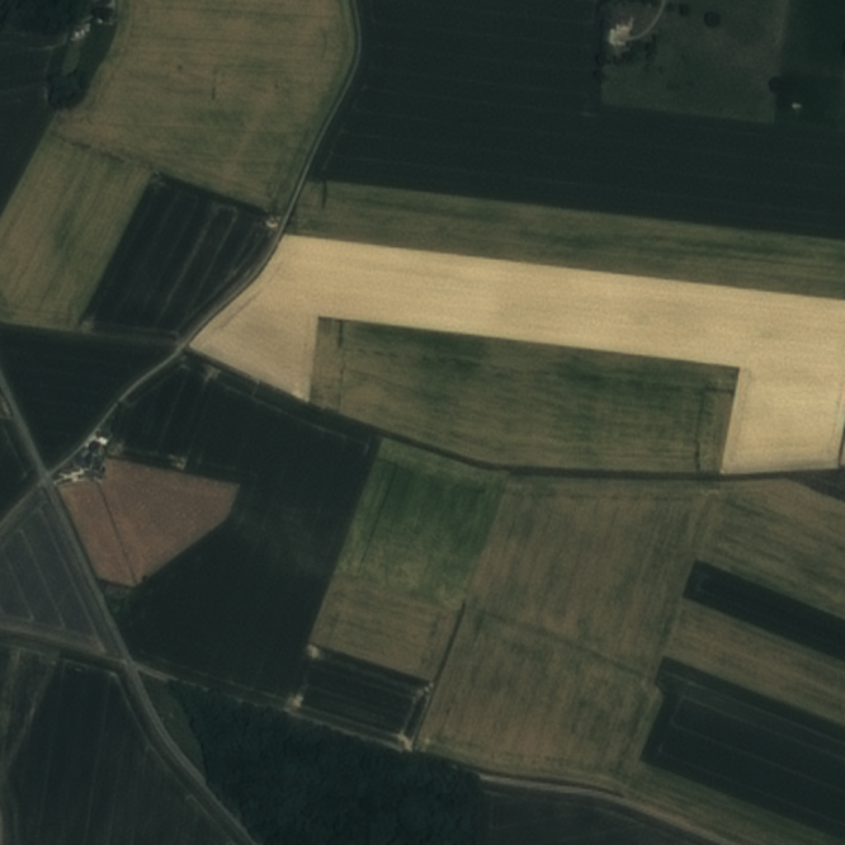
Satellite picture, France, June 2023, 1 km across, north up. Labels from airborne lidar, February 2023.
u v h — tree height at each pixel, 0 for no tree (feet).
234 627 0
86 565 0
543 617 0
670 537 0
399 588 0
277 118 0
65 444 0
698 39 0
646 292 0
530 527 0
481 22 0
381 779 57
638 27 0
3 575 0
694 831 0
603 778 0
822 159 0
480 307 0
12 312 0
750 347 0
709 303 0
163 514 0
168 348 0
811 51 0
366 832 56
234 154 0
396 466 0
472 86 0
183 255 0
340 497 0
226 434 0
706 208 0
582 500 0
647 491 0
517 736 0
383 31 0
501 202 0
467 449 0
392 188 0
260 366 0
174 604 0
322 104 0
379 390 0
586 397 0
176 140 0
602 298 0
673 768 0
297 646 0
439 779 62
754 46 0
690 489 0
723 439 0
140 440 0
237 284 0
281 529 0
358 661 0
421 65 0
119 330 0
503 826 0
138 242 0
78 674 0
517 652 0
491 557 0
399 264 0
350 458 0
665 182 0
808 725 0
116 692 0
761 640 0
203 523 0
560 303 0
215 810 0
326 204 0
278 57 0
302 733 65
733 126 0
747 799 0
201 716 45
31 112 0
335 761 68
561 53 0
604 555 0
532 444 0
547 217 0
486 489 0
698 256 0
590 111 0
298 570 0
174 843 0
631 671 0
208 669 0
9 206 0
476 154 0
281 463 0
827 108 0
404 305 0
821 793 0
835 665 0
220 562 0
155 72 0
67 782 0
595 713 0
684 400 0
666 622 0
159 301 0
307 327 0
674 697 0
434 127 0
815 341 0
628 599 0
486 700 0
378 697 0
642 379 0
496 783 0
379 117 0
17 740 0
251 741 79
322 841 83
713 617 0
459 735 0
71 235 0
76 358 0
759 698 0
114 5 0
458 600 0
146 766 0
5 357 0
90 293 0
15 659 0
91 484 0
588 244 0
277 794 75
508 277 0
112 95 0
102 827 0
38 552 0
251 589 0
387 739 0
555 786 0
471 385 0
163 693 0
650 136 0
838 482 0
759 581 0
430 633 0
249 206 0
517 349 0
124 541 0
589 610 0
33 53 0
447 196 0
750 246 0
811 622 0
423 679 0
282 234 0
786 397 0
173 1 0
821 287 0
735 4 0
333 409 0
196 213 0
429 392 0
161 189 0
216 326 0
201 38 0
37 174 0
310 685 0
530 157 0
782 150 0
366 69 0
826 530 0
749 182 0
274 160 0
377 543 0
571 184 0
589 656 0
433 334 0
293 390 0
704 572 0
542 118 0
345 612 0
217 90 0
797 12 0
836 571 0
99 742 0
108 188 0
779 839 0
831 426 0
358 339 0
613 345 0
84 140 0
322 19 0
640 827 0
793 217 0
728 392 0
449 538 0
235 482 0
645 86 0
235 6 0
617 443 0
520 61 0
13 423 0
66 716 0
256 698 0
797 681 0
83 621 0
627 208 0
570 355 0
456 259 0
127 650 0
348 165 0
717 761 0
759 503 0
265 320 0
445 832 65
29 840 0
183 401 0
